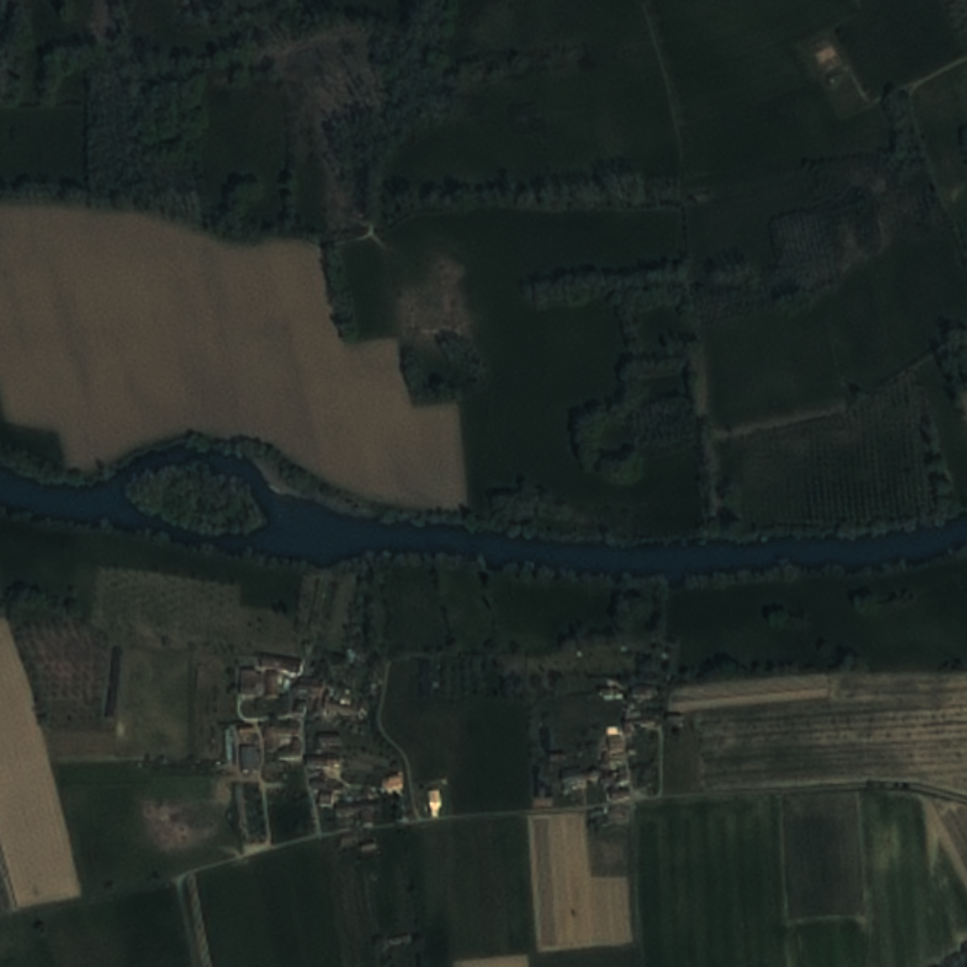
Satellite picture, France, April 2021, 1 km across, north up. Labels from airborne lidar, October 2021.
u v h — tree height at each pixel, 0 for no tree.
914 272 0
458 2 15
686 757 0
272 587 0
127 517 0
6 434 0
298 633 13
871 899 0
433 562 10
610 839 0
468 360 17
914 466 12
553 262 0
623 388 15
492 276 0
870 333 0
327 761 0
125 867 0
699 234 0
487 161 0
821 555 0
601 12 0
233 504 36
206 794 0
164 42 0
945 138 0
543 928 0
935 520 12
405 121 23
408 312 0
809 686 0
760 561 0
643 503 0
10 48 23
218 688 0
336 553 0
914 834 0
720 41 0
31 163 0
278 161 0
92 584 0
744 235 0
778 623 18
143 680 0
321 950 0
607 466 23
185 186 14
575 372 0
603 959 0
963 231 7
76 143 0
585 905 0
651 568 0
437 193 17
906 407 13
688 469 0
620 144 0
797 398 0
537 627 0
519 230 0
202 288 0
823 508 14
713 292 6
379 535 0
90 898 0
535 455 0
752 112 0
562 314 0
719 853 0
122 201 23
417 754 0
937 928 0
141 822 0
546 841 0
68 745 0
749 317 8
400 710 0
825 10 0
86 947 0
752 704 0
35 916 0
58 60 23
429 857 0
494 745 0
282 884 0
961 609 0
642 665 13
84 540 0
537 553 0
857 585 0
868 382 0
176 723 0
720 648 0
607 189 30
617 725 0
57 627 8
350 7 0
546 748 0
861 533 11
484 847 0
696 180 0
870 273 0
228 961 0
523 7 0
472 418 0
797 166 8
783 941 0
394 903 0
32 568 0
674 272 16
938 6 0
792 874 0
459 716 0
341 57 0
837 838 0
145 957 0
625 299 16
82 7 0
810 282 20
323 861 0
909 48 0
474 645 0
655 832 0
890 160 16
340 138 24
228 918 0
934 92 0
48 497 0
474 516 8
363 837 12
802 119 0
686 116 0
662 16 0
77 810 0
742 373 0
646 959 0
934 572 0
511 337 0
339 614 0
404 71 18
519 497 12
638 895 0
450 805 0
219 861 0
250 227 13
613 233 0
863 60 0
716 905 0
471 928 0
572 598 0
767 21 0
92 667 15
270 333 0
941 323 0
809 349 0
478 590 0
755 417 0
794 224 16
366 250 0
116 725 0
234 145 0
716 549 0
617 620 19
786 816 0
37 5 0
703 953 0
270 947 0
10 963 0
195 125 22
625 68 0
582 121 0
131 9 9
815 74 0
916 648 0
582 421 20
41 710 8
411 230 0
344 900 0
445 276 0
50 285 0
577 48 7
